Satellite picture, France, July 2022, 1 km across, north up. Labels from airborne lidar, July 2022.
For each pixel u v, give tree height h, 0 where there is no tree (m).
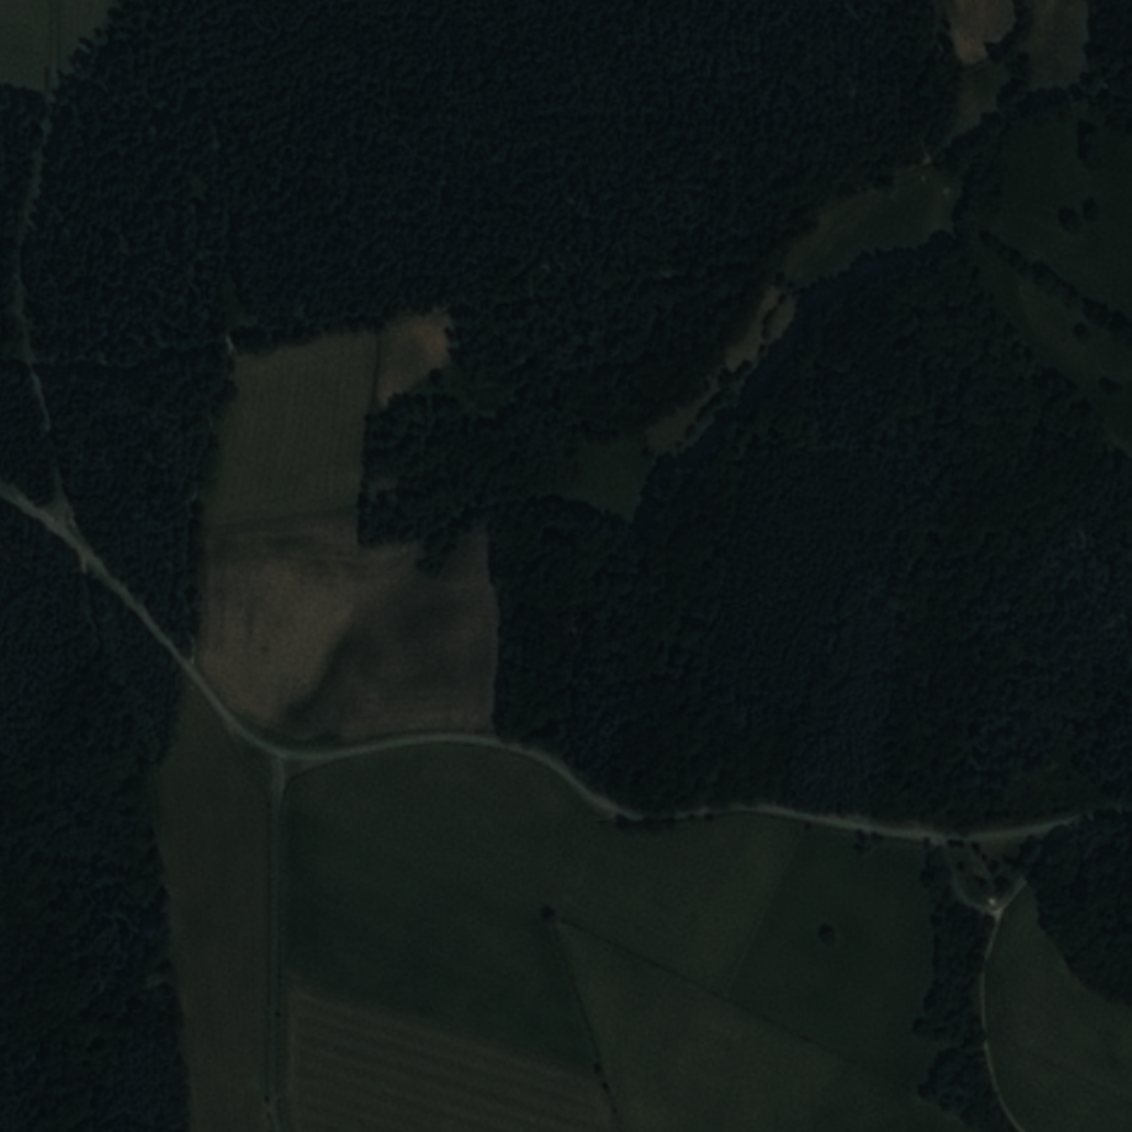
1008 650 26
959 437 25
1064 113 22
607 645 29
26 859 27
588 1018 0
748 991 0
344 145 25
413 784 0
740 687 21
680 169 25
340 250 31
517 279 23
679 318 20
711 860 0
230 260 16
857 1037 0
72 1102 28
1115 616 27
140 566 30
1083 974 18
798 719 28
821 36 21
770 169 14
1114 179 0
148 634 25
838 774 25
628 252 20
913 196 0
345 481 0
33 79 0
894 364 27
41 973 29
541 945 0
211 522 0
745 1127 0
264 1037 0
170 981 7
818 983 0
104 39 10
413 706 0
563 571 30
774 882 0
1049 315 0
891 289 29
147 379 26
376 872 0
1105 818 17
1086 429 22
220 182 30
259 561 0
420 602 0
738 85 18
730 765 27
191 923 0
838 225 0
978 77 0
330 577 0
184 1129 24
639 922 0
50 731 22
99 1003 29
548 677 30
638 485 0
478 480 18
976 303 25
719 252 18
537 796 0
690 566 30
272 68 23
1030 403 24
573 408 10
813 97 19
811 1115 0
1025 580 24
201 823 0
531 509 31
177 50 21
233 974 0
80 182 22
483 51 26
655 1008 0
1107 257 0
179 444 26
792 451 15
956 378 8
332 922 0
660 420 16
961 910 12
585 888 0
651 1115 0
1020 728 18
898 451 19
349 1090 0
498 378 14
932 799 22
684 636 28
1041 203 0
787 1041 0
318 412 0
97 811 23
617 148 24
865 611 27
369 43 24
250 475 0
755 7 21
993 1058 0
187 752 0
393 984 0
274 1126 0
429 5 23
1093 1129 0
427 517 20
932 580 27
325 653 0
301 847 0
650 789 25
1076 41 0
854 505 14
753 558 16
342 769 0
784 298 7
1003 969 0
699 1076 0
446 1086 0
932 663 28
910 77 25
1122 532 16
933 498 26
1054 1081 0
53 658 23
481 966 0
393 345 0
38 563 18
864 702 29
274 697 0
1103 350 0
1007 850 0
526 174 24
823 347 29
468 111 20
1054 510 24
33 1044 23
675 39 21
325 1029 0
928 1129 0
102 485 25
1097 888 29
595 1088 0
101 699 25
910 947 0
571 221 23
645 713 30
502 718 20
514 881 0
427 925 0
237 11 25
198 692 0
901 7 22
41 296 24
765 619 19
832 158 18
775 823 0
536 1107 0
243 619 0
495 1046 0
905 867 0
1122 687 20
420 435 16
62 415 25
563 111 22
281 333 16
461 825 0
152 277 24
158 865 25
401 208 30
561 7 30
